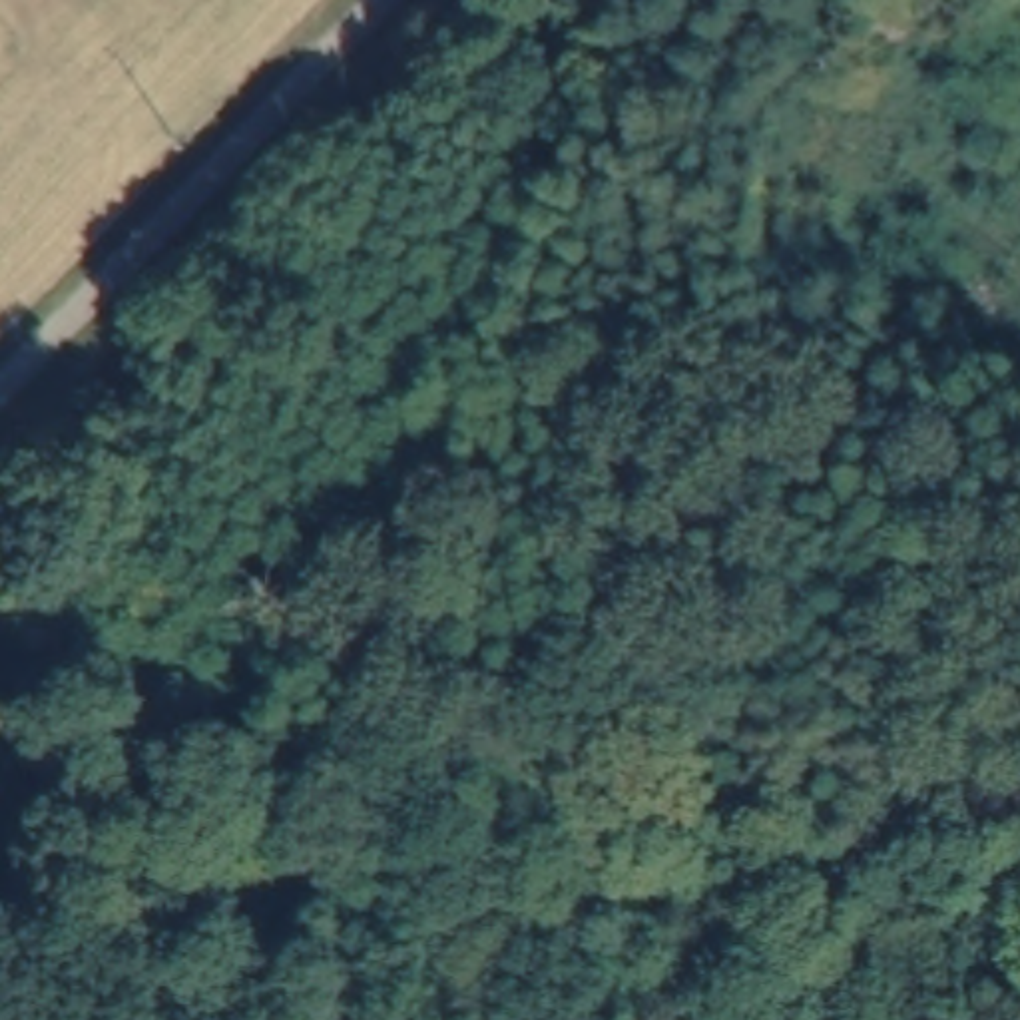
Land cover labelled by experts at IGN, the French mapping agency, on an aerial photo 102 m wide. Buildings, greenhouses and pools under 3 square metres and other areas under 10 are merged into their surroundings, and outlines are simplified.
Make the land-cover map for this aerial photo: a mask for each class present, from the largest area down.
<instances>
[{"label":"deciduous trees","instance_id":"1","mask_svg":"<svg viewBox=\"0 0 1020 1020\"><path fill-rule=\"evenodd\" d=\"M857 0H430L414 8L402 20L406 28L375 52L371 68L363 72L359 96L347 104V116L327 124L323 139H315L311 131H291L247 167L243 187L251 195H243L239 231H199L187 247V263L175 287H163L147 299H131L120 319H104L96 311L92 327L80 339L56 343V351L0 406V1020H1020V367H1012L1004 355H968L960 371H952L944 359L960 335L952 303L964 295V283H956L932 263L920 235L889 231L873 207H861L857 215L833 227L825 175L809 171L801 163V151L781 135V108L809 76H821V56H829L841 44L849 28V8Z\"/></svg>","mask_w":1020,"mask_h":1020},{"label":"brushwood","instance_id":"2","mask_svg":"<svg viewBox=\"0 0 1020 1020\"><path fill-rule=\"evenodd\" d=\"M821 76H809L781 108V135L801 151V163L809 171L825 175L833 227L857 215L861 207H873L889 231L920 235L932 263L956 283H964V295L952 303L960 335L944 359L952 371H960L968 355H1004L1012 367H1020V0H857L849 8V28L841 44L829 56H821Z\"/></svg>","mask_w":1020,"mask_h":1020},{"label":"agricultural land","instance_id":"3","mask_svg":"<svg viewBox=\"0 0 1020 1020\"><path fill-rule=\"evenodd\" d=\"M323 0H0V315L12 307H28L68 267L80 263L88 223L128 195V183L155 171L171 151L187 147L259 64L287 52L291 32Z\"/></svg>","mask_w":1020,"mask_h":1020},{"label":"pervious surface","instance_id":"4","mask_svg":"<svg viewBox=\"0 0 1020 1020\"><path fill-rule=\"evenodd\" d=\"M430 0H363V20H347L335 52H287L259 64L187 147L171 151L155 171L128 183V195L88 223L80 263L88 271V283L72 291L44 323L28 307H12L0 315V406L56 351V343L80 339L92 327L96 311L104 319H120L131 299H147L163 287H175L187 263V247L199 231H239L243 195H251L243 187L247 167L291 131H311L315 139H323L327 124L347 116V104L359 96L363 72L371 68L375 52L406 28L402 20L414 8Z\"/></svg>","mask_w":1020,"mask_h":1020},{"label":"herbaceous vegetation","instance_id":"5","mask_svg":"<svg viewBox=\"0 0 1020 1020\"><path fill-rule=\"evenodd\" d=\"M363 0H323L291 32L287 52H335L347 20H363ZM88 283V271L80 263L68 267L28 307L44 323L72 291Z\"/></svg>","mask_w":1020,"mask_h":1020}]
</instances>
